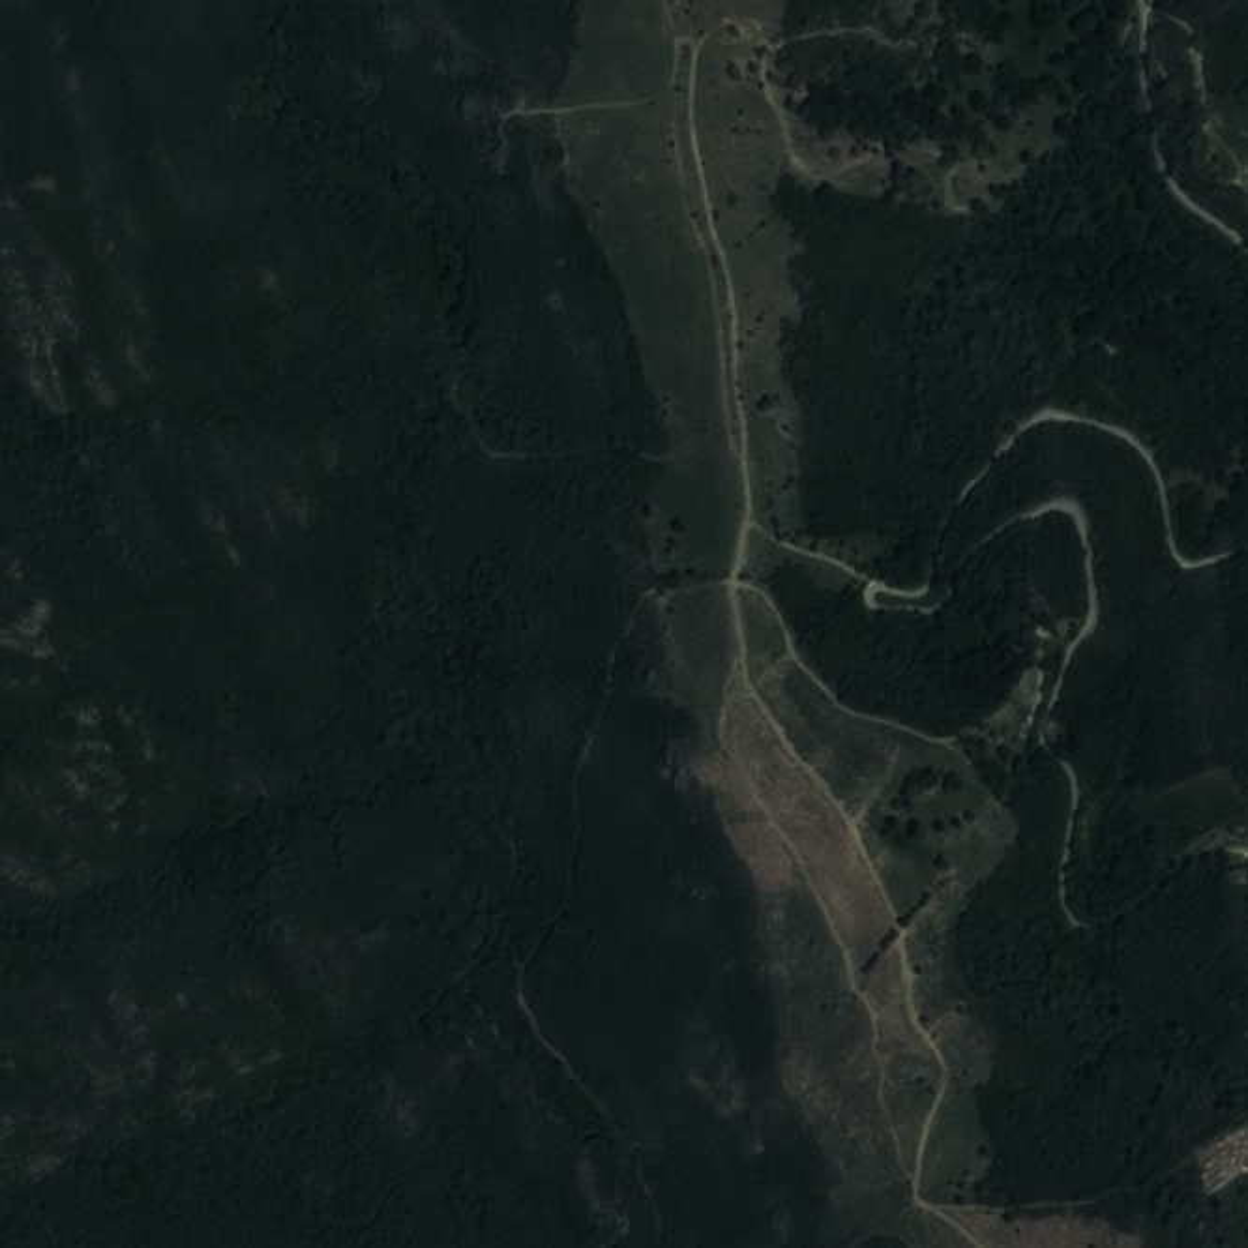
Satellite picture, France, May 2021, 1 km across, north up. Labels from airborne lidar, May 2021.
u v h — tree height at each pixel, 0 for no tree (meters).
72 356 7
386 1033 11
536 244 6
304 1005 6
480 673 11
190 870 14
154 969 6
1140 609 10
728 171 0
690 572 7
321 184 10
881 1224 0
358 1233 17
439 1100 6
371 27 7
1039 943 11
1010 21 14
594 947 6
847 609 12
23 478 8
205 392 7
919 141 9
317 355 7
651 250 0
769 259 0
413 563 12
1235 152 0
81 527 7
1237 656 11
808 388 8
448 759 12
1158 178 14
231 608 7
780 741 0
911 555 13
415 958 7
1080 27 20
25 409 12
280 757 9
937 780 12
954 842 0
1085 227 21
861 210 7
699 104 0
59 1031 6
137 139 7
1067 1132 7
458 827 8
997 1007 6
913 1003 0
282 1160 12
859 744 0
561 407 7
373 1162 15
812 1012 0
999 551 9
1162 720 12
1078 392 6
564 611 8
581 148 0
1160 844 10
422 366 14
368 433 6
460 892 6
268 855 9
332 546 7
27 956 10
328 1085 14
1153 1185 15
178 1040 6
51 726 7
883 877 0
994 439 8
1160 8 13
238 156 6
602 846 5
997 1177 7
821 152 0
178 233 6
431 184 10
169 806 6
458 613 10
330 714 8
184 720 10
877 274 7
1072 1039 14
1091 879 11
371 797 11
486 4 8
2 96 6
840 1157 0
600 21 0
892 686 10
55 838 6
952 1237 0
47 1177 10
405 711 16
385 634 16
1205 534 9
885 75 8
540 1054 8
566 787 6
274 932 6
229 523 6
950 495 9
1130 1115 8
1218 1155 0
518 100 0
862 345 7
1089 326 17
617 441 13
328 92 6
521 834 10
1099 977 18
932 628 12
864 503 15
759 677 0
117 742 6
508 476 6
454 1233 5
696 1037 0
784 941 0
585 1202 6
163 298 6
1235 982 7
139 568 7
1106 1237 0
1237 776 7
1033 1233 0
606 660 7
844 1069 0
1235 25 7
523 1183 12
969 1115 0
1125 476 6
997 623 13
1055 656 7
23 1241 6
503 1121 8
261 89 15
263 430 8
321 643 6
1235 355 10
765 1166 6
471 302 15
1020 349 6
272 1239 9
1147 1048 9
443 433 7
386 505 13
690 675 0
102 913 7
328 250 7
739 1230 6
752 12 0
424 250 7
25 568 7
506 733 9
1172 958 6
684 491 0
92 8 8
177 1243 13
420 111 6
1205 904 6
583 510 8
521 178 7
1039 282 13
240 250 8
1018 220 13
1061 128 15
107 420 8
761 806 0
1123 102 10
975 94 11
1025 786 9
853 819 0
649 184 0
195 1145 14
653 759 6
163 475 7
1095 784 8
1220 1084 6
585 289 6
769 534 0
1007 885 8
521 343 7
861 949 0
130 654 8
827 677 9
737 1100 0
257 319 7
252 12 6
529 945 8
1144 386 8
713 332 0
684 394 0
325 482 6
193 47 6
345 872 6
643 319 0
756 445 0
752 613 0
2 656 6
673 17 0
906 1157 0
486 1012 8
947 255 11
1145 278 21
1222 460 16
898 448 9
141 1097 7
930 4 14
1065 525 7
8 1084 5
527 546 7
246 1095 8
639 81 0
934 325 18
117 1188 16
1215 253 11
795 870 0
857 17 6
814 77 14
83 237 6
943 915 0
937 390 13
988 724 6
